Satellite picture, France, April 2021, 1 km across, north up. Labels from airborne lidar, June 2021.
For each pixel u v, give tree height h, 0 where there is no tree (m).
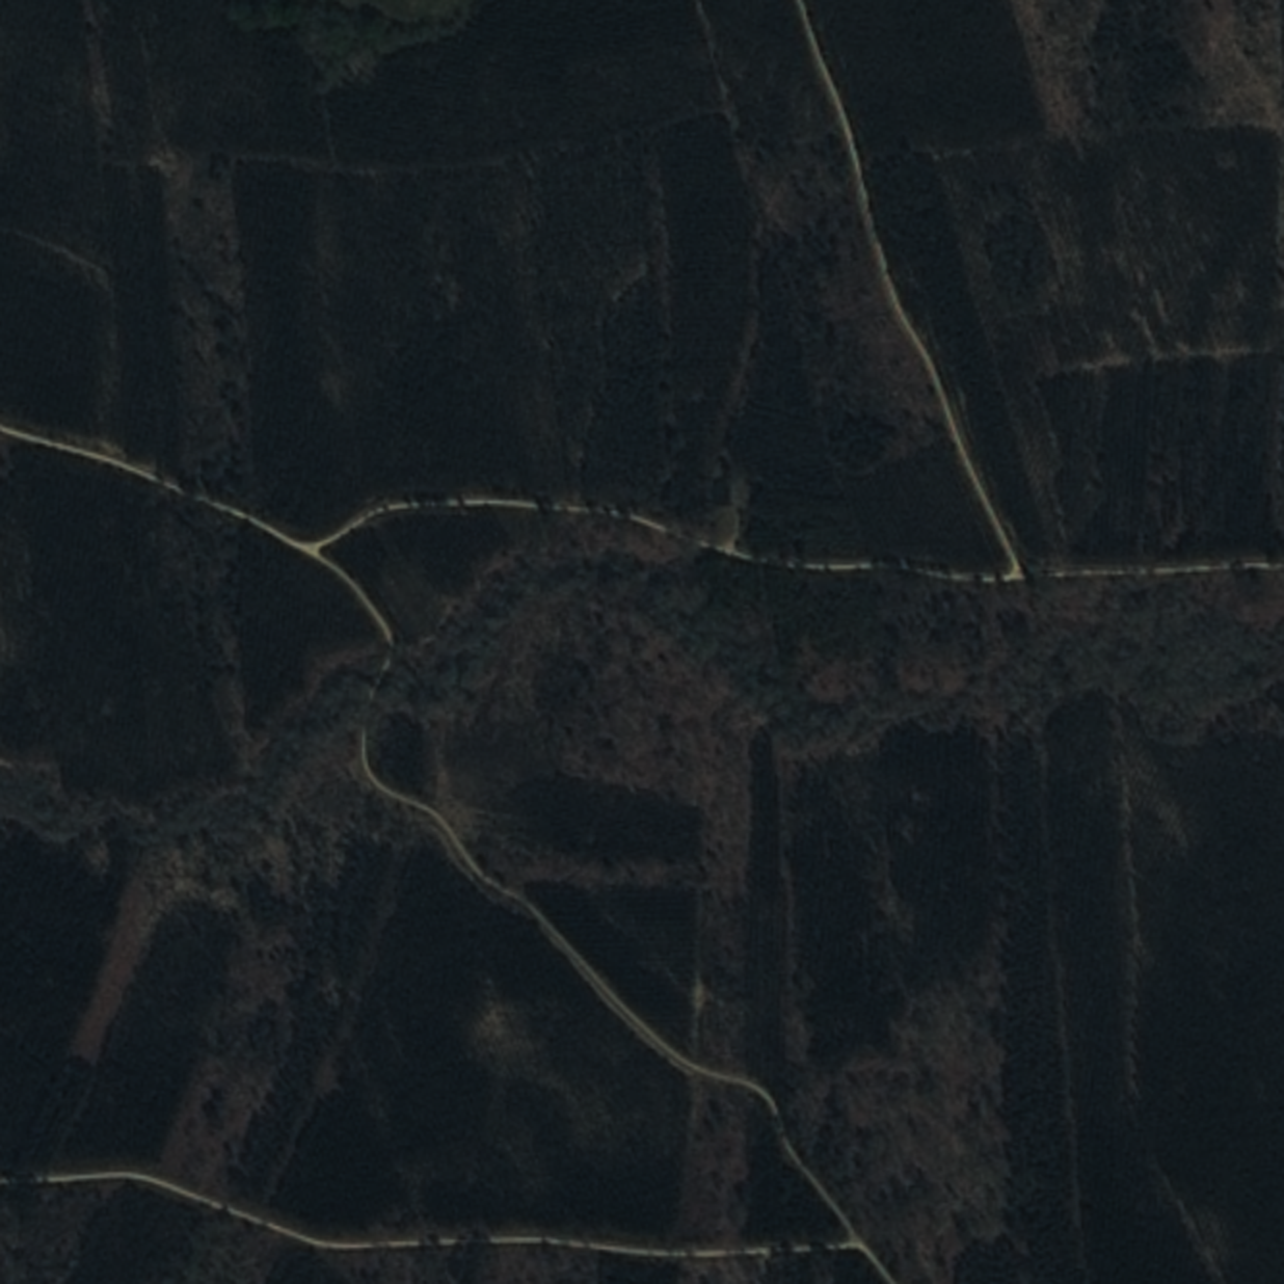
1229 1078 10
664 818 7
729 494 0
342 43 22
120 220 7
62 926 9
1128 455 10
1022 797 11
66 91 7
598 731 15
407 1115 10
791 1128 10
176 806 8
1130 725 9
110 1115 9
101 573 9
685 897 9
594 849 7
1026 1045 16
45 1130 14
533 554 11
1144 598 12
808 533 8
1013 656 7
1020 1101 16
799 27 8
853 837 7
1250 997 9
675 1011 7
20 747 8
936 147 6
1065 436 7
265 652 10
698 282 13
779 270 11
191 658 8
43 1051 11
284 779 16
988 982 9
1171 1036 10
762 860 8
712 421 11
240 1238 6
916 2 8
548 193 12
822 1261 9
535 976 10
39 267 8
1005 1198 16
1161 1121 10
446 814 0
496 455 9
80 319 9
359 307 7
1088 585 14
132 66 6
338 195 6
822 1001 8
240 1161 9
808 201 11
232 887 0
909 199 14
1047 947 14
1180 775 8
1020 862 14
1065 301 7
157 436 10
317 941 15
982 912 8
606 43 9
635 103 8
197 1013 8
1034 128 9
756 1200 14
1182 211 5
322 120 7
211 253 7
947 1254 7
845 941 11
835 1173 11
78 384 9
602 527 11
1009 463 13
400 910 8
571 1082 8
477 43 8
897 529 8
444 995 9
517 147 9
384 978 7
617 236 14
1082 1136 9
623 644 13
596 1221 11
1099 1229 12
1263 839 9
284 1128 15
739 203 12
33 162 7
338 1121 11
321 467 8
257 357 6
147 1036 7
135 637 9
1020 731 12
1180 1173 10
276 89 8
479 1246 14
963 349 14
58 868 9
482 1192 9
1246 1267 7
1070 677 20
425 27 9
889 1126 13
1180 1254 8
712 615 14
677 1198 7
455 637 10
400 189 7
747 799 12
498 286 8
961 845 11
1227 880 8
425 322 8
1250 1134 9
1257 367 6
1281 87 0
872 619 9
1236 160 10
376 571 9
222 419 8
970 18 8
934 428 13
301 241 8
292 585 7
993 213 15
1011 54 8
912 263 13
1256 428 6
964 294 14
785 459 9
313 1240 0
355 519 0
